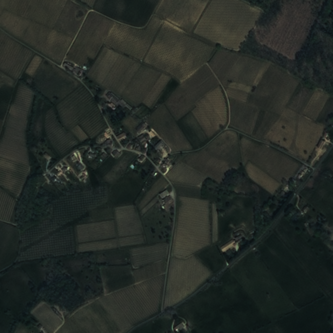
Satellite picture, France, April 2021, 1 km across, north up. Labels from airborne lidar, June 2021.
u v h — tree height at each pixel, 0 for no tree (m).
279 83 0
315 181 0
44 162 0
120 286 0
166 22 0
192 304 0
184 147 0
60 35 0
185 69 0
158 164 7
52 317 0
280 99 0
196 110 0
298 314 0
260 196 0
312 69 19
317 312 0
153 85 0
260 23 11
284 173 0
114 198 0
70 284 20
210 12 0
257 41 12
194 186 0
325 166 0
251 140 0
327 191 0
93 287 0
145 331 0
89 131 0
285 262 0
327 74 17
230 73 0
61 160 0
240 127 0
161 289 0
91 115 0
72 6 0
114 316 0
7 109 0
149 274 0
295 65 14
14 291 0
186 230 0
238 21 0
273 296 0
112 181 0
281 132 0
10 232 0
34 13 0
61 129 0
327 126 8
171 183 0
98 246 0
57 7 0
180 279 0
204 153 0
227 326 0
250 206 0
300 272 0
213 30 0
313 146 0
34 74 0
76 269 0
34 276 0
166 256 0
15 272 0
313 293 0
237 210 0
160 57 0
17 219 11
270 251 0
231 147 0
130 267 0
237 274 0
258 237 21
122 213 0
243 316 0
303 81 15
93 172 7
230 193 9
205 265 0
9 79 0
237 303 0
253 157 0
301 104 0
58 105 0
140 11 0
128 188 0
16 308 0
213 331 0
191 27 0
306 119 0
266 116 0
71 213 25
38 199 20
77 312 0
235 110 0
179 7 0
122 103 0
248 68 0
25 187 13
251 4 16
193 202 0
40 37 0
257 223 21
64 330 0
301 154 0
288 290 0
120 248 0
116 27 0
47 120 0
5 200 0
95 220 0
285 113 0
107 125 0
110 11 0
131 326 0
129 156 0
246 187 0
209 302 0
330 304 0
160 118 0
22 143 0
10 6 0
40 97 10
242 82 0
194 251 0
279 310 0
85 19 0
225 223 0
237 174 18
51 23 0
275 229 0
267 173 0
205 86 0
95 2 0
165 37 0
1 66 0
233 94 0
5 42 0
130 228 0
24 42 0
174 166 0
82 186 0
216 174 0
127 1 0
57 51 0
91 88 12
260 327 9
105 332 0
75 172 0
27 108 0
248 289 0
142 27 0
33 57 0
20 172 0
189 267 0
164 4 0
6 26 0
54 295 19
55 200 23
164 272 0
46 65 0
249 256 0
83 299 12
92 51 0
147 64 0
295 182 19
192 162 0
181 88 0
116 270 0
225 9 0
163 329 0
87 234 0
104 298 0
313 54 25
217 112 0
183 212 0
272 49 10
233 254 8
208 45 0
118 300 0
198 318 0
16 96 0
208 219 0
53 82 0
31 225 18
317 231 19
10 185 0
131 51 0
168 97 0
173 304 0
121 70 0
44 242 22
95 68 0
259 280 0
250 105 0
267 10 20
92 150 11
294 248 0
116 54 0
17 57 0
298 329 0
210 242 0
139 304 0
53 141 0
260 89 0
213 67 0
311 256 0
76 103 0
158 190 0
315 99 0
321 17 19
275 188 0
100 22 0
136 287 0
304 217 0
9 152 0
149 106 0
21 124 0
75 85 0
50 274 17
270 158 0
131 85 0
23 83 9
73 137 0
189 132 0
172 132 0
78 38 0
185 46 0
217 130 0
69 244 21
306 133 0
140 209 0
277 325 0
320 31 22
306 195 0
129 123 0
